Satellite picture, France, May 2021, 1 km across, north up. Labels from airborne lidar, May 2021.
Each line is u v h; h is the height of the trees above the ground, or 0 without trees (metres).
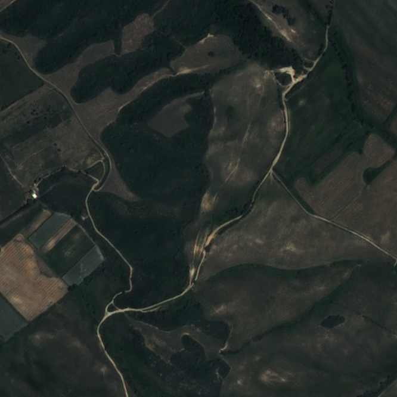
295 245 0
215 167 0
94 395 0
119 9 8
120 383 0
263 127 0
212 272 0
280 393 0
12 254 0
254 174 0
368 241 0
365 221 0
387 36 0
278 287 0
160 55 8
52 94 0
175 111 0
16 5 5
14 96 0
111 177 0
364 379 0
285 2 0
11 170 0
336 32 7
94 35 10
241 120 0
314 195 0
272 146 0
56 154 0
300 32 0
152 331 0
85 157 0
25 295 0
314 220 0
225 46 0
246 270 0
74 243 0
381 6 0
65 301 0
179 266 7
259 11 0
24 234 0
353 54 0
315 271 0
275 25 0
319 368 0
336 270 0
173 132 0
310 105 0
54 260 0
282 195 0
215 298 0
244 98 0
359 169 0
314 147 0
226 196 0
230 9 15
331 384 0
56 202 0
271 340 0
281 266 0
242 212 10
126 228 9
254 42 22
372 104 0
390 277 0
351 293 0
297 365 0
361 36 0
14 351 0
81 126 0
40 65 7
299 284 0
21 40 0
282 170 0
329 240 0
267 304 0
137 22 0
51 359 0
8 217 9
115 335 0
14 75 0
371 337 0
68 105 0
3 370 0
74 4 6
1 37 0
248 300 0
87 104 0
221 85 0
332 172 0
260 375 0
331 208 0
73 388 0
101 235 0
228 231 0
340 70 0
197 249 0
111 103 0
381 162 0
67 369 0
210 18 8
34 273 0
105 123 0
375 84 0
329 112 0
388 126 0
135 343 5
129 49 0
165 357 0
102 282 0
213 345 0
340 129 0
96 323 0
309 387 0
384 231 0
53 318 0
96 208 10
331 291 0
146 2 6
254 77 0
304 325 0
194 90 9
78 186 0
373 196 0
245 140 0
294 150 0
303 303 0
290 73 0
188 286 0
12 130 0
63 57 7
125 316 0
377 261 0
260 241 0
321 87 0
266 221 0
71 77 0
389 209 0
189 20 6
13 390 0
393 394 0
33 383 0
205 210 0
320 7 0
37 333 0
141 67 8
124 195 0
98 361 0
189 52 0
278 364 0
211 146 0
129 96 0
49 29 11
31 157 0
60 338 0
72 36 6
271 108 0
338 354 0
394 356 0
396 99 0
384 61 0
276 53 13
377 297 0
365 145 0
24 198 0
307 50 0
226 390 0
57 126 0
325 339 0
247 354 0
